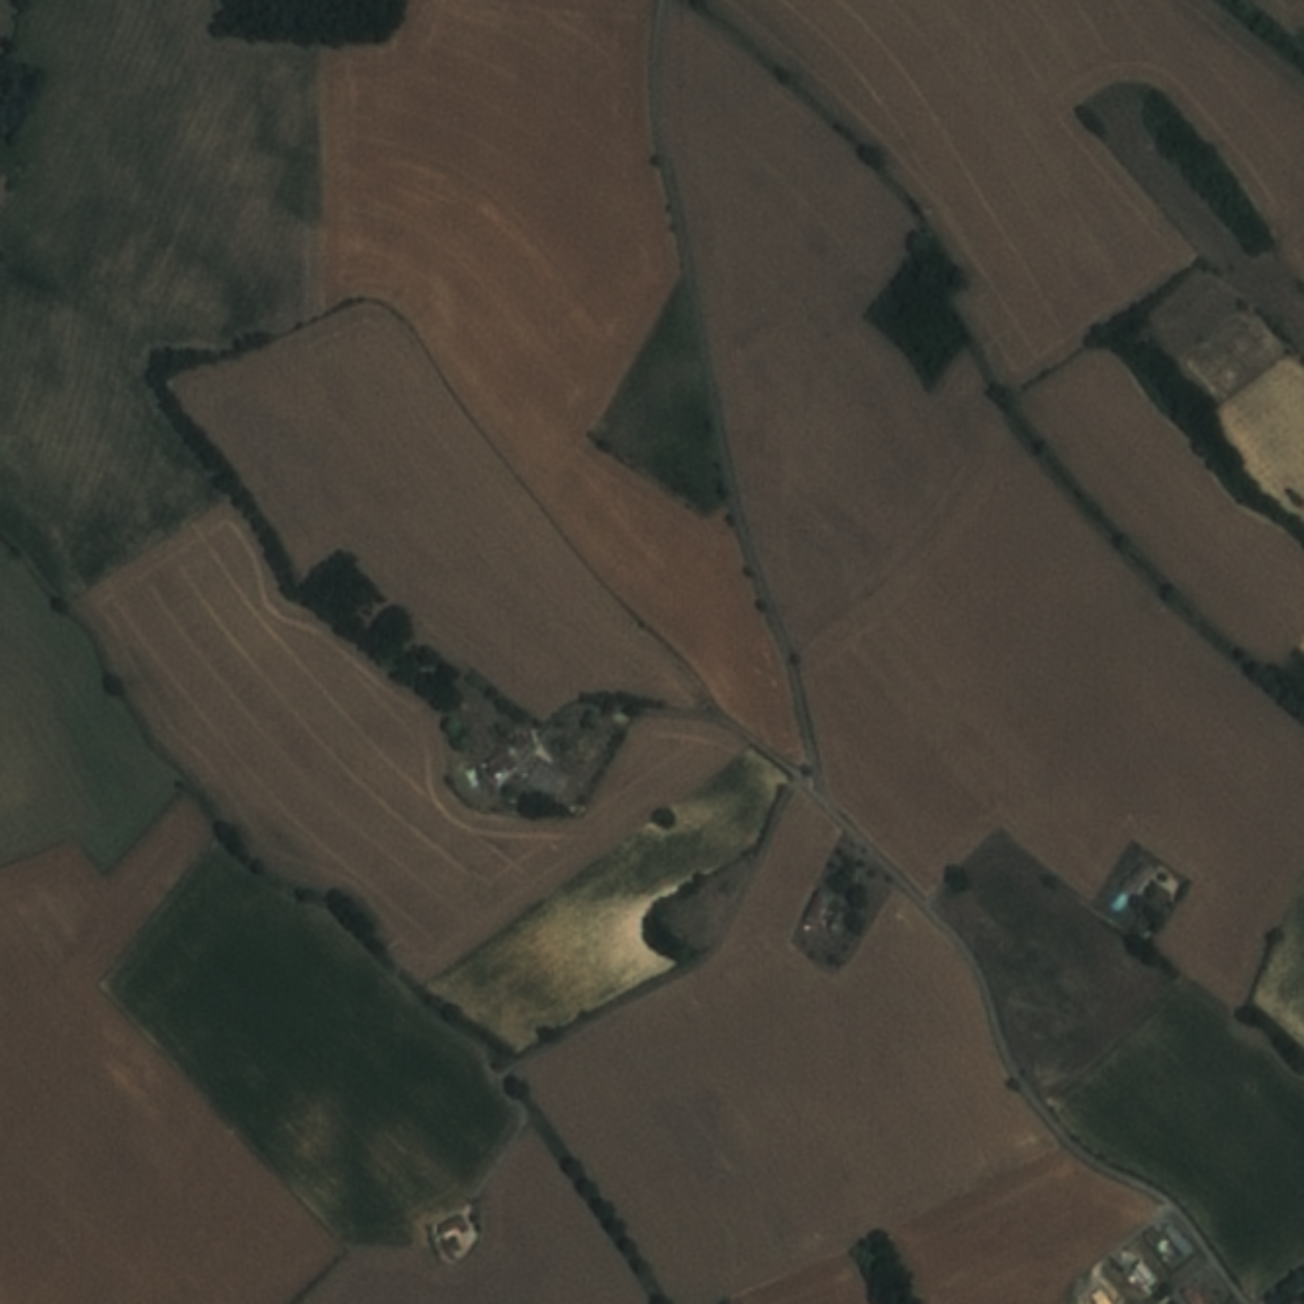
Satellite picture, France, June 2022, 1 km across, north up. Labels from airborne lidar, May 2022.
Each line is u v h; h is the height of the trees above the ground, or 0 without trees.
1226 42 0
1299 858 0
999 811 0
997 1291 0
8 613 0
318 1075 0
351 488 0
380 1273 0
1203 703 0
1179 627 0
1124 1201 0
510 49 0
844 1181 0
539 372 0
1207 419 13
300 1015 0
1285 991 0
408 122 0
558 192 0
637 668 0
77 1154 0
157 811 0
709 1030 0
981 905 0
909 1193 0
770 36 0
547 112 0
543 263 0
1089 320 0
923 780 0
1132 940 15
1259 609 0
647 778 0
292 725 0
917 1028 0
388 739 0
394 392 0
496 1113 0
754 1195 0
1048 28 0
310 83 0
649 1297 0
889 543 0
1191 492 0
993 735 0
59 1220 0
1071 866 0
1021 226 0
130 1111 0
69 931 0
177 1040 0
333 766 0
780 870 0
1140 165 0
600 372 0
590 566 0
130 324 0
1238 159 0
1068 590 0
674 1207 0
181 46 0
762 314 0
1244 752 0
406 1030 0
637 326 0
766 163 0
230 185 0
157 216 0
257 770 0
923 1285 0
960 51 0
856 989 0
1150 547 0
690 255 0
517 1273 0
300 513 0
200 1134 0
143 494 0
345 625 16
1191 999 0
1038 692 0
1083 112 11
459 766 0
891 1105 0
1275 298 0
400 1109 0
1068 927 0
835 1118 0
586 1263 0
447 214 0
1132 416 0
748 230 0
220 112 0
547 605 0
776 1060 0
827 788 0
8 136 15
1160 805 0
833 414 0
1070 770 0
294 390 0
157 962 0
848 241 0
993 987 0
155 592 0
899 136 0
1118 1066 0
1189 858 0
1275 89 0
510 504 0
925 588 0
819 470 0
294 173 0
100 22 0
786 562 0
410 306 0
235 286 0
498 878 0
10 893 0
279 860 0
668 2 0
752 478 0
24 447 0
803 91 0
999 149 0
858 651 0
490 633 0
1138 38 0
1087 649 0
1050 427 0
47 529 0
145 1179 0
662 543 0
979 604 0
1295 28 0
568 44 0
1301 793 0
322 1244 0
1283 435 0
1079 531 0
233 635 0
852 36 0
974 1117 0
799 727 0
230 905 0
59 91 0
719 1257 0
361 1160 0
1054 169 0
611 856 0
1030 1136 0
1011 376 0
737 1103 0
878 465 0
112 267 0
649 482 0
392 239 0
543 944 0
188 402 0
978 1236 0
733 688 0
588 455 0
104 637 0
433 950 0
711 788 0
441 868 0
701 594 0
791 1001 0
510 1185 0
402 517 0
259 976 0
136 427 0
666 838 0
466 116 0
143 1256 0
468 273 0
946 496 0
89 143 0
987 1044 0
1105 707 0
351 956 0
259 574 0
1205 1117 0
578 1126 0
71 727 0
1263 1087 0
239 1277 0
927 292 9
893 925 0
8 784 0
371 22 16
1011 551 0
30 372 0
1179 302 0
